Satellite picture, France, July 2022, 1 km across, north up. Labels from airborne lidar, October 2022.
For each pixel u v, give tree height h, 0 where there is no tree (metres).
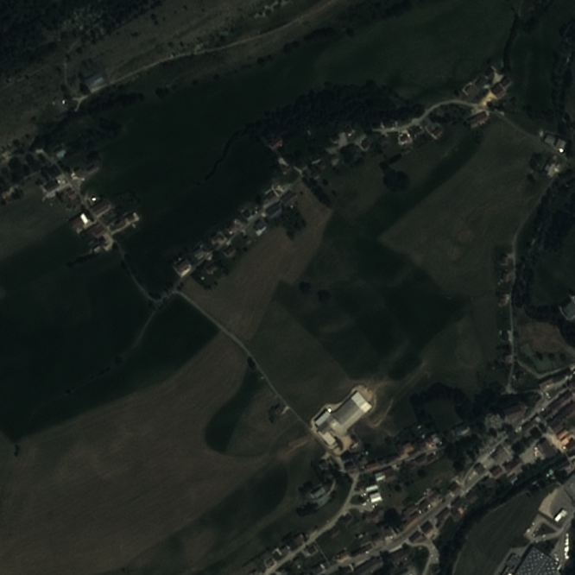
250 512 0
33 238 0
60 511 0
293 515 0
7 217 0
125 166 0
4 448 0
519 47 0
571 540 0
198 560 0
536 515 0
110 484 0
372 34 0
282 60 0
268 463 0
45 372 0
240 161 0
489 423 0
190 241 0
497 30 0
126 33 0
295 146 0
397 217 0
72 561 0
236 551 0
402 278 0
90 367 0
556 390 0
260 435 0
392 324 0
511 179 0
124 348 0
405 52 0
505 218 0
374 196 0
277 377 0
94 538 0
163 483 0
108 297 0
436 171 0
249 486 0
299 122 25
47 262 0
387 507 0
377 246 0
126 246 0
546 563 0
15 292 0
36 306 0
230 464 0
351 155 8
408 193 0
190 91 0
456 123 7
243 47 0
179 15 0
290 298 0
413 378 0
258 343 0
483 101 0
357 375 0
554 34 0
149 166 0
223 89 0
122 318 0
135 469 0
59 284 0
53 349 0
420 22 0
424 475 10
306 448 0
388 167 16
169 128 0
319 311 0
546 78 0
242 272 0
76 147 17
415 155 0
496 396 23
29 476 0
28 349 0
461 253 0
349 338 0
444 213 0
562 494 0
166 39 0
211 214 0
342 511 0
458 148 0
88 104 10
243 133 6
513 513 0
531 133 0
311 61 0
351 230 0
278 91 0
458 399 27
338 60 0
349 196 0
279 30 0
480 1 0
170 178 0
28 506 0
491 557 0
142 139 0
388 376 0
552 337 0
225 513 0
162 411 0
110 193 0
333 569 0
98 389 0
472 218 0
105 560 0
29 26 12
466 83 0
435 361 0
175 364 0
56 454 0
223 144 0
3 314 0
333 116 25
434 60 0
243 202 0
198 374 0
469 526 15
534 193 0
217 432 0
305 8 0
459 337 0
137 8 13
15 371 0
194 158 0
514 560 0
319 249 0
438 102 0
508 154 0
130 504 0
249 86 0
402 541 0
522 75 0
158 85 0
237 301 0
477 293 0
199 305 0
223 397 0
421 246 0
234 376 0
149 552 0
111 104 19
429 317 0
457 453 25
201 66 0
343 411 0
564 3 0
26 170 15
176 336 0
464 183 0
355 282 0
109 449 0
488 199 0
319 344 0
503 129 0
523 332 0
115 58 0
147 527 0
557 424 0
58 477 0
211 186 0
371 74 0
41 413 0
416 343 0
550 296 0
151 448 0
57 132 15
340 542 0
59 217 0
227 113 0
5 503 0
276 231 0
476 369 0
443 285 0
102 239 9
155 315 0
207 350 0
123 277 0
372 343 0
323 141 0
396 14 13
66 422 0
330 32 13
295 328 0
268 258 0
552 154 0
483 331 0
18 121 0
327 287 0
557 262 0
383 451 0
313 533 0
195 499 0
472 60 0
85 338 0
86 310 0
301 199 0
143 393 0
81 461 0
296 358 0
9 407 0
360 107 30
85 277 0
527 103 0
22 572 0
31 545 0
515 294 11
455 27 0
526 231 0
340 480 16
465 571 0
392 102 7
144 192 0
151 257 0
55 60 0
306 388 0
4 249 0
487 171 0
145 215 0
